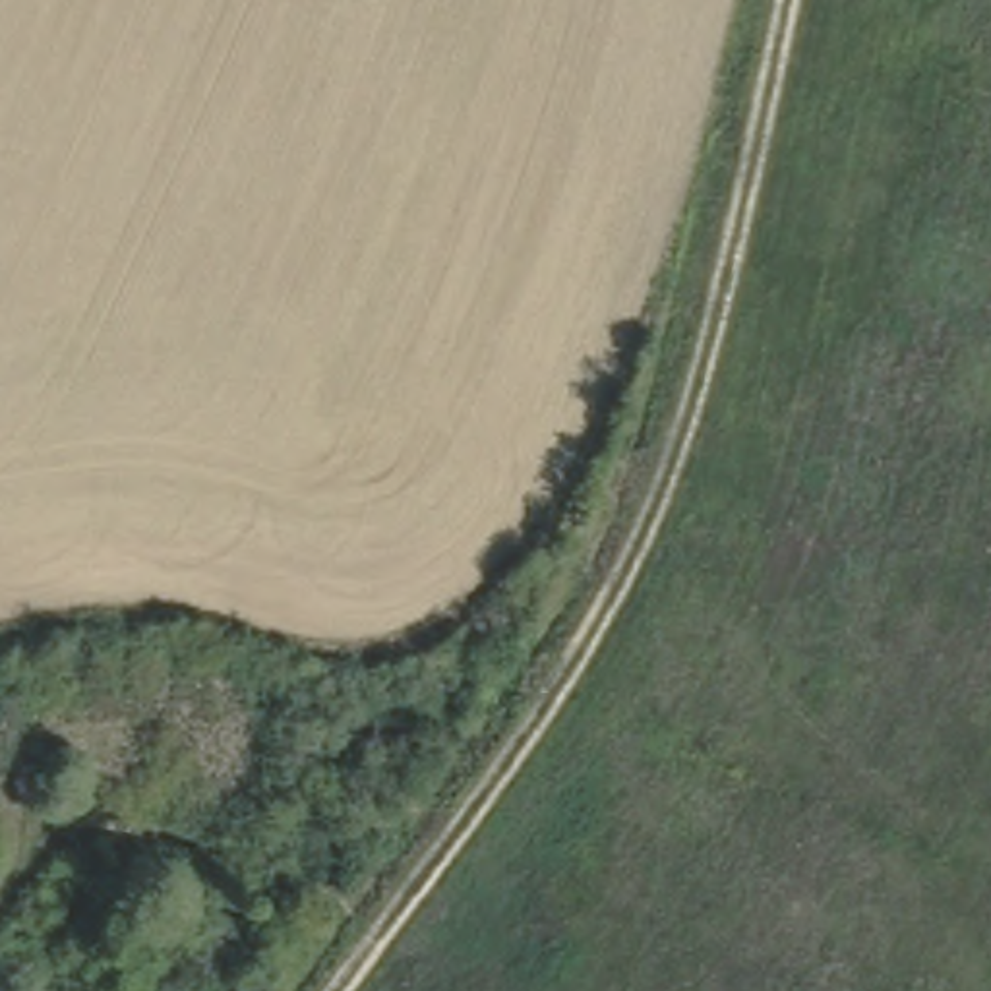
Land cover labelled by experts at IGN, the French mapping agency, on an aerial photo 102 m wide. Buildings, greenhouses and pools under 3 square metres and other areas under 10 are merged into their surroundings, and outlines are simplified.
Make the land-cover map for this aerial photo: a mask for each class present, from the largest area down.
<instances>
[{"label":"plowed land","instance_id":"1","mask_svg":"<svg viewBox=\"0 0 991 991\"><path fill-rule=\"evenodd\" d=\"M736 0H0V623L23 612H62L81 604L174 600L236 616L267 631L314 639L321 646L364 643L360 654L368 670L430 654L457 627H465V619L484 612L492 596L507 588V577L519 565H526L538 550H557L561 538H569L581 526L592 465L608 453V437L623 410V395L635 383L639 356L650 345V329L635 317L689 190L701 128L712 112L716 70Z\"/></svg>","mask_w":991,"mask_h":991},{"label":"agricultural land","instance_id":"2","mask_svg":"<svg viewBox=\"0 0 991 991\"><path fill-rule=\"evenodd\" d=\"M360 991H991V0H805L774 124L770 166L755 209L739 298L732 310L705 422L685 465L677 499L662 523V534L623 612L604 635L585 681L573 689L538 751L503 790L499 805L457 856V863L445 871L437 890L391 941V948L383 952V960Z\"/></svg>","mask_w":991,"mask_h":991},{"label":"brushwood","instance_id":"3","mask_svg":"<svg viewBox=\"0 0 991 991\"><path fill-rule=\"evenodd\" d=\"M670 356L662 337H650V345L639 356L635 383L623 395V410L608 437V453L592 465L581 526L569 538H561L557 550H538L526 565H519L507 577V588L492 596L484 612L465 619V627H457L430 654L368 670L360 654L364 643L321 646L314 639L267 631L236 616L174 600L81 604L62 612H23L0 623V991H317L341 964V956L368 933L395 879L410 867L414 852L445 825L457 797L484 770L492 751L519 720L523 705L550 677L565 639L581 623L596 588L585 577V565L592 561L612 519L616 476L631 461V445L646 414L654 372Z\"/></svg>","mask_w":991,"mask_h":991},{"label":"pervious surface","instance_id":"4","mask_svg":"<svg viewBox=\"0 0 991 991\"><path fill-rule=\"evenodd\" d=\"M805 0H770L766 35L751 77L739 163L732 178L728 213L720 225L716 259L708 271L693 352L677 387L674 414L658 441V465L650 472V484L635 507V519L616 550L612 569L596 588L581 623L565 639L550 677L523 705L519 720L492 751L484 770L457 797L445 825L414 852L410 867L395 879L368 933L341 956V964L317 991H360L383 960V952L391 948V941L437 890L445 871L457 863V856L499 805L503 790L538 751L573 689L585 681L604 635L623 612L662 534V523L677 499L685 465L705 422L732 310L739 298L755 209L770 166L774 124Z\"/></svg>","mask_w":991,"mask_h":991},{"label":"herbaceous vegetation","instance_id":"5","mask_svg":"<svg viewBox=\"0 0 991 991\"><path fill-rule=\"evenodd\" d=\"M770 0H736L716 70L712 112L701 128L689 190L635 317L650 329V337H662L670 356L654 372L646 414L631 445V461L616 476L612 519L592 561L585 565V577L596 588L612 569L616 550L635 519V507L650 484V472L658 465V441L674 414L677 387L693 352L708 271L716 259L720 225L728 213L732 178L739 163L751 77L766 35Z\"/></svg>","mask_w":991,"mask_h":991}]
</instances>
